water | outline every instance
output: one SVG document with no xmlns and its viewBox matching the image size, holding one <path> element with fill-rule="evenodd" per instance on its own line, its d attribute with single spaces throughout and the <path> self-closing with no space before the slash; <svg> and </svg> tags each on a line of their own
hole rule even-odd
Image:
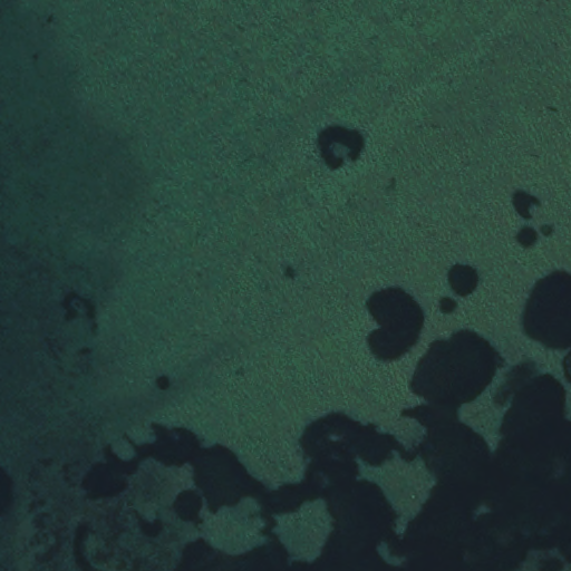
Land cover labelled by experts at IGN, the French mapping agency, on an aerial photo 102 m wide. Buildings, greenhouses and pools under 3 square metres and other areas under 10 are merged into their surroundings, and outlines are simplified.
<svg viewBox="0 0 571 571">
<path fill-rule="evenodd" d="M 0 571 L 571 571 L 571 0 L 0 0 Z"/>
</svg>

